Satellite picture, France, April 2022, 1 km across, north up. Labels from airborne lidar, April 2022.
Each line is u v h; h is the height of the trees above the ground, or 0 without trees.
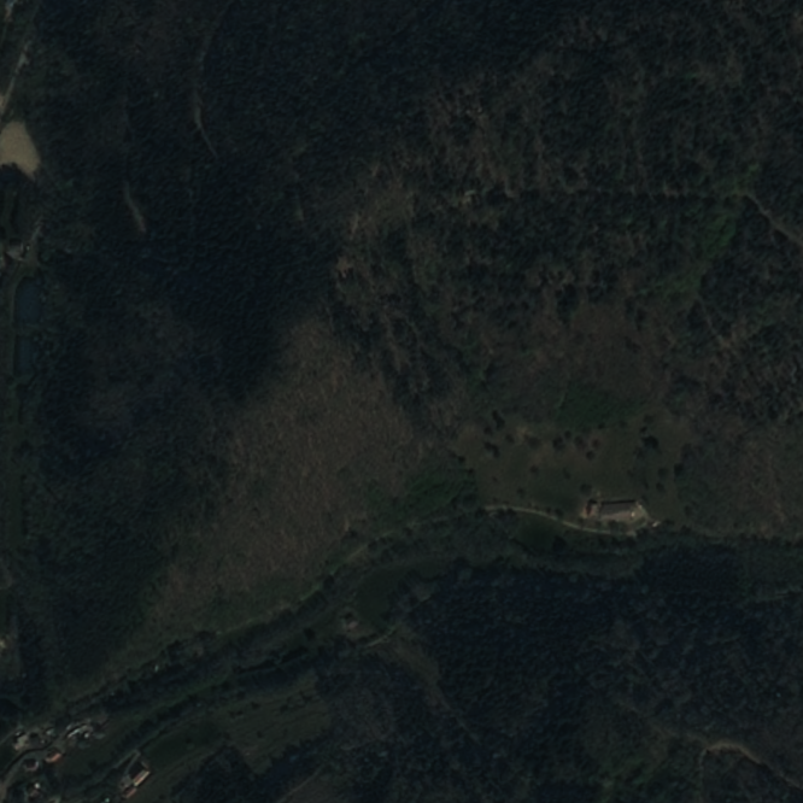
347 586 27
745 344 12
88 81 13
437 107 14
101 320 14
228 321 24
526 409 23
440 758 34
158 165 17
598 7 16
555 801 31
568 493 0
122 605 21
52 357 9
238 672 12
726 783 14
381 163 7
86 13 30
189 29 20
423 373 20
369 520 12
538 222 16
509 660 35
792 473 17
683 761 9
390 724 21
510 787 8
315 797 0
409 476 12
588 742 23
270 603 20
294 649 0
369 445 21
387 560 14
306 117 19
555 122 20
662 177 21
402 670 20
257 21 22
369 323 16
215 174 23
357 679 25
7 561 27
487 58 14
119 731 0
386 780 11
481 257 14
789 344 24
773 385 8
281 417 14
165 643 9
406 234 21
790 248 21
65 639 19
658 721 15
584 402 14
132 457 21
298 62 20
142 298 11
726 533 14
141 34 26
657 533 10
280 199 19
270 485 15
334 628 0
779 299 16
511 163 19
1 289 18
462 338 16
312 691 0
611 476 0
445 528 17
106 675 18
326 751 18
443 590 7
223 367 29
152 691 21
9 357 20
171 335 12
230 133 15
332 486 21
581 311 20
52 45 22
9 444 23
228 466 9
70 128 23
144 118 28
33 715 20
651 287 17
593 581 19
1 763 0
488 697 23
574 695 33
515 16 18
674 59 18
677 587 32
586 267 17
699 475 21
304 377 11
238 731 0
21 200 16
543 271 12
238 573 21
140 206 11
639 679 11
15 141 0
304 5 21
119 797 0
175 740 0
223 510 14
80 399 15
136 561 21
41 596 15
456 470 20
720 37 10
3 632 0
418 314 25
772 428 21
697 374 10
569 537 10
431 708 29
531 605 24
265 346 23
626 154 24
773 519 25
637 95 13
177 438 17
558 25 15
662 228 22
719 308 6
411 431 15
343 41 25
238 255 30
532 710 23
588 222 19
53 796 10
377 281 17
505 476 0
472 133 15
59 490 7
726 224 10
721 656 33
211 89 13
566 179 25
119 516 20
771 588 25
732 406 10
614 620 24
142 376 14
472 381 21
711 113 17
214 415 16
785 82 23
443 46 17
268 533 17
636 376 25
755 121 26
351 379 18
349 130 15
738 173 17
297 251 21
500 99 16
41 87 21
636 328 10
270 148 22
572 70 22
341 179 17
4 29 0
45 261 16
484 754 34
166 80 24
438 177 24
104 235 20
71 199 19
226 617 20
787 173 13
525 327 9
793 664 22
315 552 21
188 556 20
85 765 0
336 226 13
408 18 15
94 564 21
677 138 20
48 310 14
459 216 16
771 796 26
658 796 20
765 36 22
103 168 17
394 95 20
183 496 20
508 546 25
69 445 14
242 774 9
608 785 22
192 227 27
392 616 9
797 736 30
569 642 22
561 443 15
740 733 21
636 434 0
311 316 13
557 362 24
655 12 20
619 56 18
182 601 21
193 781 9
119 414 15
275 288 30
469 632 24
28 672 19
